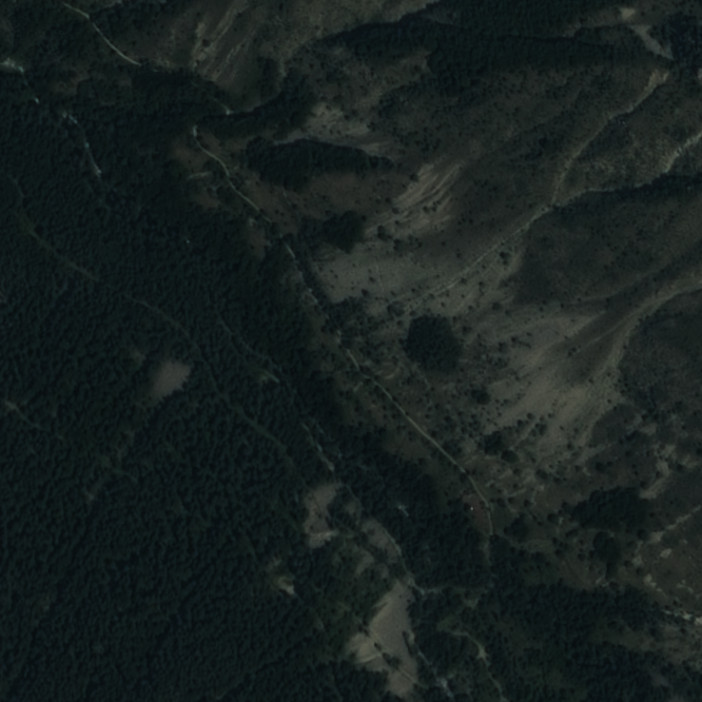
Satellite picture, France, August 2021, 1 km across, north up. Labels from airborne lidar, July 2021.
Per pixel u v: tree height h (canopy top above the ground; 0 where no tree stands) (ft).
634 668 41
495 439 29
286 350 50
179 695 66
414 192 0
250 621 70
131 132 46
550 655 24
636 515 69
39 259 65
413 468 47
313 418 52
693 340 0
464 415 27
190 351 72
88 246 77
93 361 62
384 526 27
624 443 32
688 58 43
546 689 23
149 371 63
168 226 45
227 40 0
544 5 38
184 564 74
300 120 53
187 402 49
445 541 43
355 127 0
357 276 0
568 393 0
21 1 23
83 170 80
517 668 26
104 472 69
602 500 62
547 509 0
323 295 41
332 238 58
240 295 85
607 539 24
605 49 27
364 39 40
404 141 23
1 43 40
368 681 67
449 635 26
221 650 62
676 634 0
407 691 0
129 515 85
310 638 25
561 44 55
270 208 0
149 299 79
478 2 24
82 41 41
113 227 89
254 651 90
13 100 79
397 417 29
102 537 64
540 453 0
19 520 89
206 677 72
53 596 34
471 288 0
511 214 0
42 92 54
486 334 0
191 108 55
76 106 50
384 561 30
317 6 0
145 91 49
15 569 80
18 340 81
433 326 38
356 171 39
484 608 29
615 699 62
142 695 71
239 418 89
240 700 95
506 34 22
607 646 41
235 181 36
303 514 31
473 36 25
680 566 0
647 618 62
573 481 0
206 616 42
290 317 23
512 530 24
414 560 40
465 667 21
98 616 84
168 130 62
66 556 70
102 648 21
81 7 30
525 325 0
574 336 0
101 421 46
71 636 31
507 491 0
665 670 42
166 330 54
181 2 31
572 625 47
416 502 66
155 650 79
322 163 57
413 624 25
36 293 68
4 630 57
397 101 26
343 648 51
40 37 23
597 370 0
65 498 85
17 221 68
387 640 0
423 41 37
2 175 47
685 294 0
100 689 86
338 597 44
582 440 0
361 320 21
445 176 0
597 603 32
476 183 17
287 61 19
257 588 30
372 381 26
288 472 77
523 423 36
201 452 84
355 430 38
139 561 90
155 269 72
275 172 60
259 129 35
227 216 52
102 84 42
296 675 58
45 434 89
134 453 43
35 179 70
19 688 61
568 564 0
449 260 0
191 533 86
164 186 80
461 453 26
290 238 44
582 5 32
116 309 71
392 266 0
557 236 0
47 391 92
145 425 38
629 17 0
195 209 53
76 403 76
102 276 36
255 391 74
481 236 0
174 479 84
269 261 44
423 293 0
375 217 0
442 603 45
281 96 49
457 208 0
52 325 79
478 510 0
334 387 28
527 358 0
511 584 51
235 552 90
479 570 53
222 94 50
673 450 0
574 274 0
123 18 54
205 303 83
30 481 61
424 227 0
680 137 32
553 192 0
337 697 91
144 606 62
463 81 29
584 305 0
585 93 21
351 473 37
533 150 19
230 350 74
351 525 75
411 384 26
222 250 92
